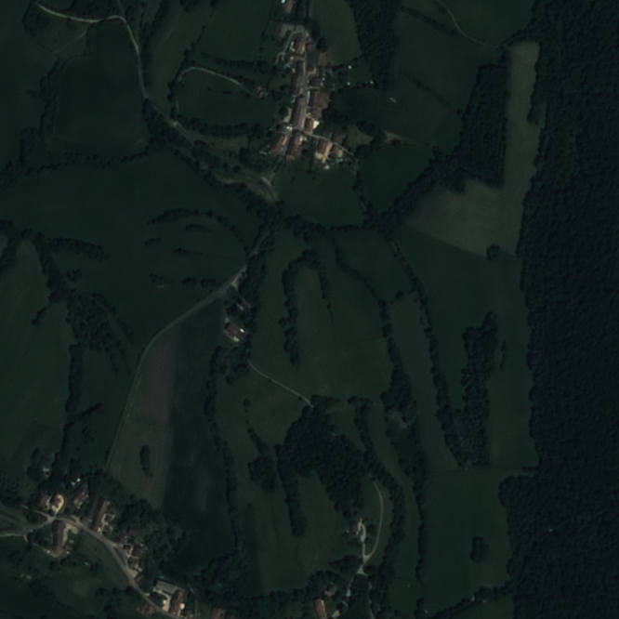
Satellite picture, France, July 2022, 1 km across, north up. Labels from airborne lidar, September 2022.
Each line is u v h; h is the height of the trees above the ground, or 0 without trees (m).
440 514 0
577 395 13
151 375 0
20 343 0
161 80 0
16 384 0
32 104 0
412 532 0
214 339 0
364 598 10
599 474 15
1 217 0
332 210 0
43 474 13
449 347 0
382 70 10
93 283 0
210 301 0
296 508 20
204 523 0
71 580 0
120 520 6
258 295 17
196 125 17
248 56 0
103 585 0
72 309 13
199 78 0
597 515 17
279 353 0
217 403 15
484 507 0
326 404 19
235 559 19
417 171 0
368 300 0
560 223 18
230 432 0
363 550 0
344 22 0
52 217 0
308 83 0
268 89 6
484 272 0
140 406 0
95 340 13
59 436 0
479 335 9
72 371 10
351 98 0
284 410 0
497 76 22
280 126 9
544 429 20
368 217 22
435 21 13
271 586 0
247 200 8
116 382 0
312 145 6
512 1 0
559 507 26
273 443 0
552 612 20
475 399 17
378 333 0
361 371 0
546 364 24
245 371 15
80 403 17
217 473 0
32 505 11
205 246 0
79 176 0
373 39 9
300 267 14
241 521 13
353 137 0
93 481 17
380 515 0
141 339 0
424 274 0
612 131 17
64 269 0
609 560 18
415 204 20
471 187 0
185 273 0
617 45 12
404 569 0
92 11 17
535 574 19
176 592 0
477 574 0
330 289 13
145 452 15
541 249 19
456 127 0
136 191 0
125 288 0
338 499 21
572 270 19
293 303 14
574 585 13
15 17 0
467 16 0
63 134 0
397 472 0
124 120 0
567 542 15
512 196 0
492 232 0
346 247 0
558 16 19
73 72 0
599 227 18
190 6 19
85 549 0
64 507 0
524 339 0
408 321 0
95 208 0
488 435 11
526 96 0
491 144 14
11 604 0
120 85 0
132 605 0
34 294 0
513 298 0
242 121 0
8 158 0
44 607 0
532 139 0
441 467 0
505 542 0
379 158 0
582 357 13
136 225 0
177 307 0
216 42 0
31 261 0
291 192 0
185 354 0
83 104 0
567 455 9
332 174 0
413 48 0
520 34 8
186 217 18
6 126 0
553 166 18
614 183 17
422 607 19
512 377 0
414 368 0
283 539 0
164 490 0
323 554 0
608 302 14
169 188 0
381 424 0
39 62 0
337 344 0
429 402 0
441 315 0
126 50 0
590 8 10
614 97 17
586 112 21
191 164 20
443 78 0
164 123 19
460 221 0
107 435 0
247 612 9
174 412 0
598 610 21
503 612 0
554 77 13
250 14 0
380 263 0
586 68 12
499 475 0
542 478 16
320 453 18
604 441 15
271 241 8
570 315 17
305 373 0
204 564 0
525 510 21
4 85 0
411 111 0
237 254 0
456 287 0
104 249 19
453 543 0
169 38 0
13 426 0
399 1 14
